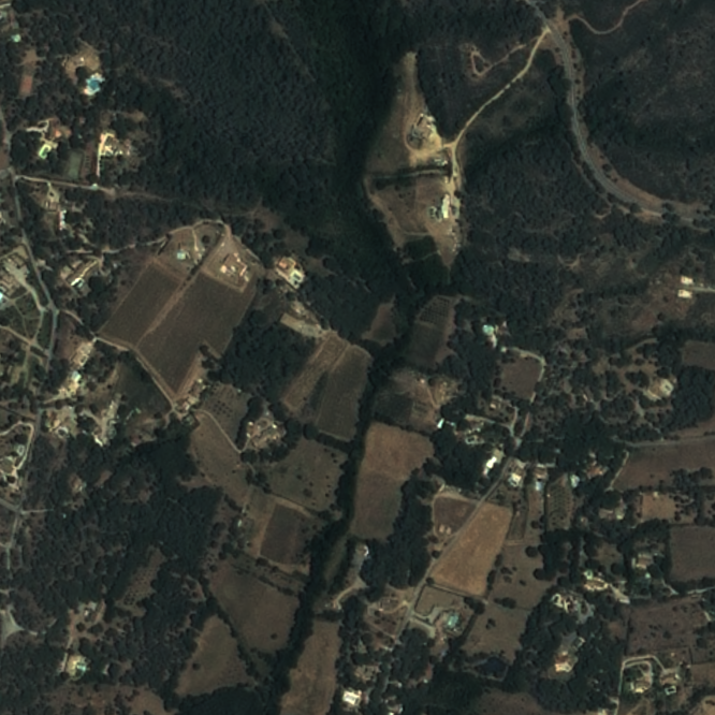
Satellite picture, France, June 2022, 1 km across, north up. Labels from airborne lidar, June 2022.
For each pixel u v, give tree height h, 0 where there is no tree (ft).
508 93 21
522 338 44
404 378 0
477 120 0
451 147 0
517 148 35
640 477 0
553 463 29
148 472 40
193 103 36
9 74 39
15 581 31
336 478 0
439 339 0
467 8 54
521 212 21
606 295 38
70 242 27
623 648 31
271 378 49
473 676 35
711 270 0
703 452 0
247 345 55
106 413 0
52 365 36
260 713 37
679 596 20
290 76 29
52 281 40
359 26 44
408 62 0
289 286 0
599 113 61
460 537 0
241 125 63
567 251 32
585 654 38
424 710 42
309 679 0
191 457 52
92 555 33
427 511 40
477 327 38
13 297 0
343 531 42
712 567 0
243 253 0
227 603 0
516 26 39
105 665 43
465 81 34
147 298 0
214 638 0
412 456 0
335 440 42
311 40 51
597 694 36
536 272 24
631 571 47
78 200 28
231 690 39
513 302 33
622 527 57
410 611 0
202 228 0
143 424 0
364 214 30
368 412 40
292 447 34
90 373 47
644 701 0
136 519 37
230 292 0
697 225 30
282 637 0
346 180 28
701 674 0
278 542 0
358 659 45
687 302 0
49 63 34
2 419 0
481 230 25
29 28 40
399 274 54
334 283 43
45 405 22
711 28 0
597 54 0
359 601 48
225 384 35
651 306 0
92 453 24
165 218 36
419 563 47
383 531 0
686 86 0
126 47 48
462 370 40
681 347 33
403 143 0
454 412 29
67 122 40
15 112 29
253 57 66
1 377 23
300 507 0
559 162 24
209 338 0
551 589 26
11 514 19
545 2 43
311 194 39
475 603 33
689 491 41
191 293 0
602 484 55
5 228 38
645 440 28
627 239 36
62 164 43
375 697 36
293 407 0
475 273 41
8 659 28
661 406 33
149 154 56
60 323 32
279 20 43
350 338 38
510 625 0
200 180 48
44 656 35
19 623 24
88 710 37
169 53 22
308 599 53
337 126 21
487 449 34
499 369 19
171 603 45
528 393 0
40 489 25
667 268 0
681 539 0
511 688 48
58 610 35
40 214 35
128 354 33
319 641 0
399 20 43
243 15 30
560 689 37
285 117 59
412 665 44
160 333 0
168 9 51
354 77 58
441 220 0
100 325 27
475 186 23
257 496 0
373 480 0
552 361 38
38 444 23
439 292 49
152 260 0
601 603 43
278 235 47
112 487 43
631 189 0
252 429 0
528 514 0
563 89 35
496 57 0
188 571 24
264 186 41
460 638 31
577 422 36
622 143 37
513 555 0
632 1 0
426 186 0
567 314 0
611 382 38
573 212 24
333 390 0
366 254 17
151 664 32
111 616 25
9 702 40
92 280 35
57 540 31
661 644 0
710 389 47
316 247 50
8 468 0
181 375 0
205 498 51
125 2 37
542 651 39
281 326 48
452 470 26
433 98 19
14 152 34
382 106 46
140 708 0
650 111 30
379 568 43
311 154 38
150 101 50
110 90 30
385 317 0
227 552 36
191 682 0
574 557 35
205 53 52
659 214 0
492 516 0
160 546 34
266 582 24
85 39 45
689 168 31
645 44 46
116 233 23
